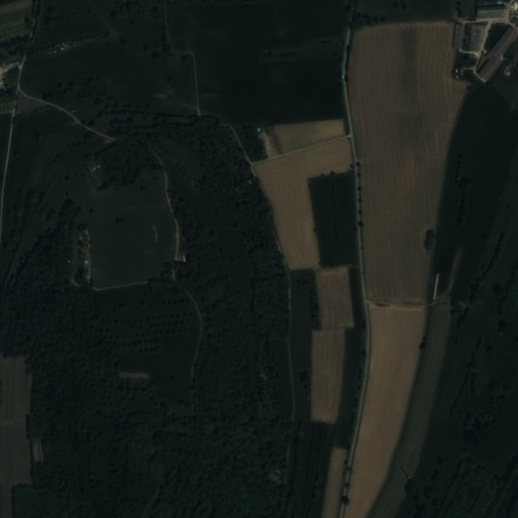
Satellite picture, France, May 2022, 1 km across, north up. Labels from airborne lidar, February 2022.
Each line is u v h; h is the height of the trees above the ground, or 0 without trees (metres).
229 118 0
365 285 0
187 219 11
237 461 25
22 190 9
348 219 0
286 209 0
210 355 6
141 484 7
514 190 0
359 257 0
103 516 0
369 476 0
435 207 0
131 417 14
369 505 0
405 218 0
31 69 0
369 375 0
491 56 0
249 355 10
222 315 12
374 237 0
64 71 0
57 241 16
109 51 0
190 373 0
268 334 17
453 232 0
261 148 7
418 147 0
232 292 7
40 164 0
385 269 0
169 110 0
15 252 10
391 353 0
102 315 7
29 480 0
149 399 8
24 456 0
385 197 0
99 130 0
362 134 0
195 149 8
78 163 0
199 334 0
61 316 7
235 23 0
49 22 15
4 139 0
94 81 9
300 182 0
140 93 0
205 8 0
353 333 0
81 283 18
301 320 0
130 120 11
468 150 0
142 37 0
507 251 0
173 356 0
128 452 15
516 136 0
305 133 0
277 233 0
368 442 0
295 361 0
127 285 0
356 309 0
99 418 11
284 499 17
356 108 0
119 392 11
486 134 0
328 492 0
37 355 7
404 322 0
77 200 0
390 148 0
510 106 0
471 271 0
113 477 6
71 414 7
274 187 0
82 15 0
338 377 0
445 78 0
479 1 6
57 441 13
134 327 0
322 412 0
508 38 0
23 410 0
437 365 0
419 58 0
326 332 0
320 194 0
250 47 0
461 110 0
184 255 0
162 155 0
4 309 14
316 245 0
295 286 0
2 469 0
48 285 11
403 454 0
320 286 0
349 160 0
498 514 0
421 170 0
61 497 14
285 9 0
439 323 0
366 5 0
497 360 0
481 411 0
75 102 0
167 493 10
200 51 0
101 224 0
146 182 0
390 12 0
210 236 12
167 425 14
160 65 0
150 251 0
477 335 0
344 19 0
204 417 9
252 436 21
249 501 15
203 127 9
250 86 0
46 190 0
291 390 0
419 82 0
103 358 8
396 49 0
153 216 0
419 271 0
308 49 0
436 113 0
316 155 0
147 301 0
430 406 0
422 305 0
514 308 16
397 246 0
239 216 9
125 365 0
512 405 0
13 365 0
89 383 6
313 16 0
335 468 0
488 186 0
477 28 0
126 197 0
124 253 0
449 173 0
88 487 0
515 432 0
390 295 0
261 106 0
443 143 0
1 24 0
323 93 0
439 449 0
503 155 0
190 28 0
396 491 0
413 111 0
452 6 0
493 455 0
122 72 0
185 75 0
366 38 0
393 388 0
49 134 0
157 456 6
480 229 0
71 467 8
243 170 14
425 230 0
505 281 0
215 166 7
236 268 0
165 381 0
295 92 0
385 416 0
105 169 0
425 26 0
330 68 0
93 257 0
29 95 0
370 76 0
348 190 0
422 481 0
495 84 0
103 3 0
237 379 12
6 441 0
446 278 0
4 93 13
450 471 0
